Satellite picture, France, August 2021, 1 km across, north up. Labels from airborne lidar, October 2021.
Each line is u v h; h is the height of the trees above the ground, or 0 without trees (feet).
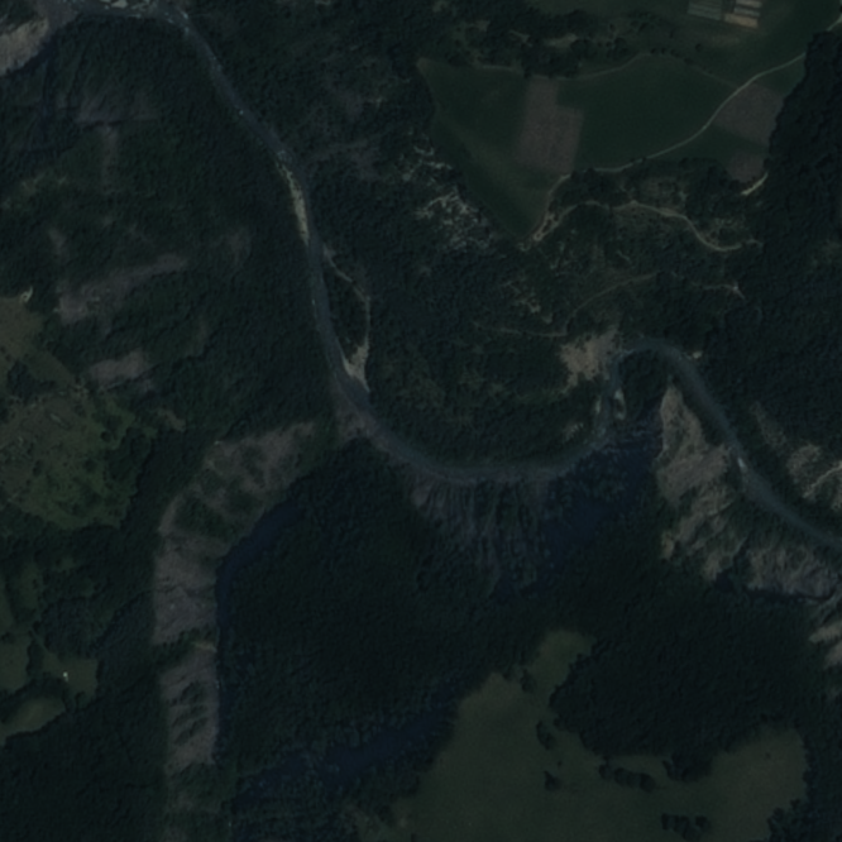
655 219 22
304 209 0
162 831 34
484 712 0
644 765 0
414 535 86
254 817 20
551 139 0
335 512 63
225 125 45
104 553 57
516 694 0
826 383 45
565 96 0
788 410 58
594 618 43
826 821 57
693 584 63
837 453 35
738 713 86
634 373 61
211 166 36
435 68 0
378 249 39
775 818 0
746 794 0
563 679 0
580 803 0
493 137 0
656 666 84
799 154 102
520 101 0
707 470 0
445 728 51
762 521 23
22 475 0
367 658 75
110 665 73
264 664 58
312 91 38
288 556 65
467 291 33
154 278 23
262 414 50
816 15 0
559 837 0
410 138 21
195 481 110
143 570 49
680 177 22
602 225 28
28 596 0
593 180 62
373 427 0
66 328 21
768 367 43
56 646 52
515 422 59
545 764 0
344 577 73
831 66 98
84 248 32
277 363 72
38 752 83
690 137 0
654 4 0
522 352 41
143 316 34
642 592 46
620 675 91
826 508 38
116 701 69
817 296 47
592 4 0
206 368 23
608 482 27
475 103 0
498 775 0
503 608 71
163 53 44
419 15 20
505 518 40
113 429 33
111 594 54
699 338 34
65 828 66
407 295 47
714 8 0
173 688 0
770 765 0
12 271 29
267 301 41
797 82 0
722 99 0
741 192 94
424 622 61
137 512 54
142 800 72
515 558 24
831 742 46
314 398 59
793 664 60
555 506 24
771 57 0
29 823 60
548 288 24
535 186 0
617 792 0
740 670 85
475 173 0
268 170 38
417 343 46
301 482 60
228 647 23
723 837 0
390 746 0
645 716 90
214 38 43
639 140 0
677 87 0
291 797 19
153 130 24
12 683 0
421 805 0
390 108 30
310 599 73
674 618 100
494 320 31
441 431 40
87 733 68
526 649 57
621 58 37
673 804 0
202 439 43
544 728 39
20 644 0
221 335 41
